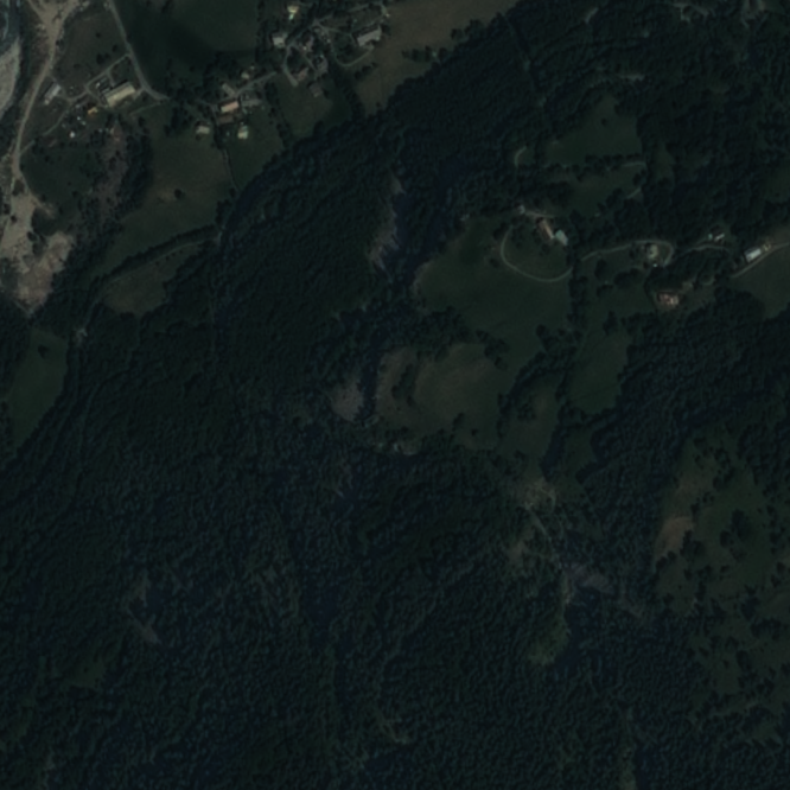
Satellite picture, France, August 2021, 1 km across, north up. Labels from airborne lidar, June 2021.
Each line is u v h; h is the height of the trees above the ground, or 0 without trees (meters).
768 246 0
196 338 18
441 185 14
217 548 28
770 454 17
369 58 0
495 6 0
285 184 23
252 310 22
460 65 23
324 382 8
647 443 22
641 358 11
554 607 23
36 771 22
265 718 20
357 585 27
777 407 15
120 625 25
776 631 20
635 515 12
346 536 18
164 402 20
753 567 0
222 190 0
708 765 24
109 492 23
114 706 22
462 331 10
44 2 0
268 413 8
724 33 22
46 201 9
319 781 18
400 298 14
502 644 11
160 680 28
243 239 8
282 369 23
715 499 7
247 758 25
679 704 20
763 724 22
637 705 8
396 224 0
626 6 21
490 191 14
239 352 26
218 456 12
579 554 14
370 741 7
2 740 13
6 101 0
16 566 19
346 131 15
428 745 12
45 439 15
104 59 15
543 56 22
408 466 23
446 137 21
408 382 11
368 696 20
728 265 6
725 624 20
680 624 15
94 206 11
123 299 0
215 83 15
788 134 24
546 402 0
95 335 13
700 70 15
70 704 23
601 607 18
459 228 11
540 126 16
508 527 29
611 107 0
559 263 0
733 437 16
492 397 0
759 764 20
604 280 9
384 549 18
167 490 19
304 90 0
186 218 0
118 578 24
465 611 14
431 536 23
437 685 22
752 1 6
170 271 0
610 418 18
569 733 22
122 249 0
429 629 12
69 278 11
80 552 24
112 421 18
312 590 9
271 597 7
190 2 0
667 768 24
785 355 24
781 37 13
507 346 14
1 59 0
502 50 22
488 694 10
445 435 12
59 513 34
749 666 13
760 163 22
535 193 15
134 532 25
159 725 25
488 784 14
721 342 14
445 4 0
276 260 15
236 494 32
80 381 13
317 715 28
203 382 17
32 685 29
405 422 0
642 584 12
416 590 26
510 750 18
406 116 21
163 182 0
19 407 0
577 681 26
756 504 0
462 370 0
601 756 21
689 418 20
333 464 30
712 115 23
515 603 22
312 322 23
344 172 22
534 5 20
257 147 0
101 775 14
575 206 0
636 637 9
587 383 0
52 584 32
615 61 22
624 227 15
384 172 15
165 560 15
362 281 27
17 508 27
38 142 8
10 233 0
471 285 0
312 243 21
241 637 24
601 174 12
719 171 13
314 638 15
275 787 21
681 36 27
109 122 9
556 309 0
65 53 0
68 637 30
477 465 21
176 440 20
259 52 11
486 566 21
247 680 25
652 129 23
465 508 29
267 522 28
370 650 15
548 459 0
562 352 13
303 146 15
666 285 7
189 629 19
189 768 30
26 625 25
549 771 22
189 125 13
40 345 0
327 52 11
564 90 15
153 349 19
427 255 8
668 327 6
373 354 9
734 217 23
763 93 21
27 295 0
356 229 21
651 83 8
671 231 20
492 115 13
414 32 0
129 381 21
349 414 0
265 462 16
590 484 17
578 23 19
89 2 0
